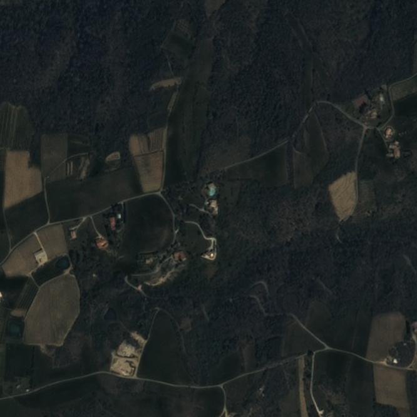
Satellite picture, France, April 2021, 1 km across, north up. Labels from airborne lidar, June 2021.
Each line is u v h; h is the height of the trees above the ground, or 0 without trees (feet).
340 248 58
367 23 41
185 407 0
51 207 0
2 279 0
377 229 61
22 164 0
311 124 0
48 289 0
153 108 32
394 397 0
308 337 0
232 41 29
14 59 64
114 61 34
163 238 0
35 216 0
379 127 21
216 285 37
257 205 22
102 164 0
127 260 0
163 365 0
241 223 26
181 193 25
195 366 37
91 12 21
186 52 0
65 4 30
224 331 34
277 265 41
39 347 0
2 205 0
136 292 33
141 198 0
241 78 46
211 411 0
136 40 18
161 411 0
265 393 49
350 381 0
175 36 0
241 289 29
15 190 0
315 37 37
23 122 0
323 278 51
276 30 62
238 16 30
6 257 0
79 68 36
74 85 46
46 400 0
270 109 27
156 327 0
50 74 25
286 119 56
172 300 38
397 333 0
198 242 0
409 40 19
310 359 22
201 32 31
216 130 25
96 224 0
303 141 26
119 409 0
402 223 66
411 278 54
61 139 0
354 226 32
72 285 0
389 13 66
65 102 54
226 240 20
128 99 58
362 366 0
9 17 37
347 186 0
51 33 32
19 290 0
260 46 49
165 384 0
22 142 0
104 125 19
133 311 0
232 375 0
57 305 0
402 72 37
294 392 0
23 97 36
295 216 45
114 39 38
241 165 0
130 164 22
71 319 0
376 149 0
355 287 43
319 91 19
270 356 33
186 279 29
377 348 0
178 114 0
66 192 0
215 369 0
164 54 30
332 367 0
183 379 0
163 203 0
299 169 0
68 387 0
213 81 37
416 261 46
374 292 64
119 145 38
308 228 41
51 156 0
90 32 24
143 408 0
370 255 49
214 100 25
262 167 0
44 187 0
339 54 53
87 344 0
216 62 24
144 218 0
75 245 0
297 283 48
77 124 27
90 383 0
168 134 0
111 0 40
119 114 53
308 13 45
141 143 0
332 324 0
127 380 0
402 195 31
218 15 26
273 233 22
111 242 35
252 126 27
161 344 0
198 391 0
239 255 23
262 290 25
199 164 33
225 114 21
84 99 56
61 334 0
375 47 52
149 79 49
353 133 0
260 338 26
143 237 0
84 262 64
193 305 22
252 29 39
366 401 0
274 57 47
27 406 0
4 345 0
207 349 39
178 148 0
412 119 0
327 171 19
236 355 0
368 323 0
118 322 0
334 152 28
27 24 47
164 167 0
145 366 0
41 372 0
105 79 22
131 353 0
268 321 37
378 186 0
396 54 55
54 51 28
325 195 34
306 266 53
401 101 0
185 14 19
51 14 44
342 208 0
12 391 0
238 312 33
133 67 45
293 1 48
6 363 0
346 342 0
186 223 27
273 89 57
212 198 18
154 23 19
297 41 41
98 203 0
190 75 0
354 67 76
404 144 0
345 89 35
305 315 26
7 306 0
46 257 0
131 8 61
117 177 0
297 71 36
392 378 0
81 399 0
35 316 0
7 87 48
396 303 38
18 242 0
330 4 52
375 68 55
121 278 47
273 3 76
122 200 0
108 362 0
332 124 30
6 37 68
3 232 0
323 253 63
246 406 26
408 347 23
